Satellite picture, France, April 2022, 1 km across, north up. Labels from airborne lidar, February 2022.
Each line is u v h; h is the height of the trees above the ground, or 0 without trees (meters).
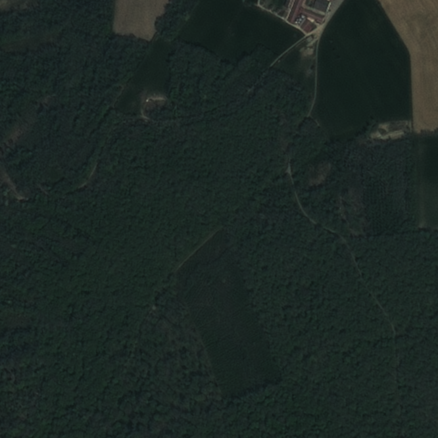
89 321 22
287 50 0
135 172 22
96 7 29
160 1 0
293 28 0
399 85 0
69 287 30
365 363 25
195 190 28
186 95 21
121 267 25
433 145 0
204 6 0
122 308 27
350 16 0
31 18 23
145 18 0
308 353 27
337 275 27
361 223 27
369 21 0
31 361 32
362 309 22
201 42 0
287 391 22
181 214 17
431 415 29
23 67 11
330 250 27
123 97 0
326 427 22
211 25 0
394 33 0
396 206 8
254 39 0
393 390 24
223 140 21
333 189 7
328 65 0
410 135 12
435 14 0
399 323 24
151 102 22
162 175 23
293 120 25
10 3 0
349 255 20
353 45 0
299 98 24
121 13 0
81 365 25
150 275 24
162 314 21
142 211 22
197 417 26
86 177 23
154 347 25
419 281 24
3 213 26
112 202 26
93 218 26
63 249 27
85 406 22
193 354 23
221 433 24
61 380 26
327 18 0
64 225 26
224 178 19
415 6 0
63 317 11
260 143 24
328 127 0
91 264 25
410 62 0
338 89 0
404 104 0
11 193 24
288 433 14
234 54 0
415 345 24
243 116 21
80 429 21
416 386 29
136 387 26
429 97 0
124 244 24
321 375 28
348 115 0
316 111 0
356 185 0
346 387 23
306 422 24
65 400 27
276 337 22
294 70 0
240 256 26
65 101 25
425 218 0
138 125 17
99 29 13
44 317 29
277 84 21
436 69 0
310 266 28
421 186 0
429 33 0
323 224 18
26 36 18
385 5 0
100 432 26
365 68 0
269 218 24
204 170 25
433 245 17
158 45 0
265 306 23
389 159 15
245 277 25
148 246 24
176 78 24
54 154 21
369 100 0
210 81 28
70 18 25
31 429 27
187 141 16
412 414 20
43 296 26
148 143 27
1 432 25
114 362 23
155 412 22
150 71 0
